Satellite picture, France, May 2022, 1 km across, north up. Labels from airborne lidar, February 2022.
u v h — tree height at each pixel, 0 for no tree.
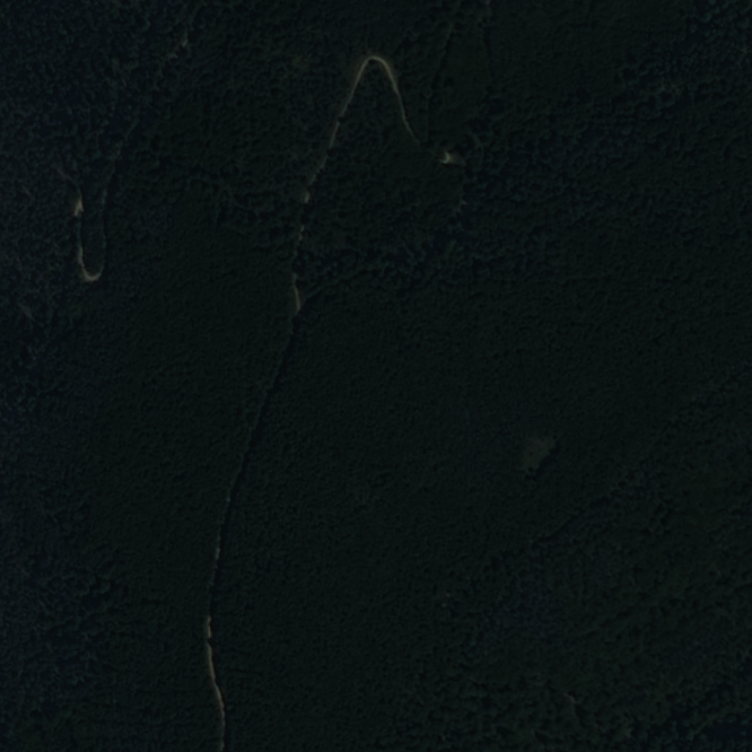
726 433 25
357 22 14
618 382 12
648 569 26
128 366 21
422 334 20
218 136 9
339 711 22
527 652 32
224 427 21
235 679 18
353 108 10
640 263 24
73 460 20
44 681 30
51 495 25
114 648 24
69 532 23
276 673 17
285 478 19
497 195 21
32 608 26
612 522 21
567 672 26
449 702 32
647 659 26
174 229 20
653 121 27
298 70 6
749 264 25
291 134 7
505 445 17
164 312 18
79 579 23
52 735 28
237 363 18
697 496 25
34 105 34
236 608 19
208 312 22
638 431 22
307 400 18
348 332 19
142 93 24
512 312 23
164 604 19
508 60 21
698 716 22
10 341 12
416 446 13
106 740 19
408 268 29
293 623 20
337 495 17
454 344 20
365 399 18
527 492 15
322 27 14
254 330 22
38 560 31
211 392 23
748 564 27
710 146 28
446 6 21
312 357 21
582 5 20
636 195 29
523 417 17
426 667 23
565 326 25
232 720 14
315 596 16
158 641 22
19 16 35
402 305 26
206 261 19
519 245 27
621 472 22
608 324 23
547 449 0
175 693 18
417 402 16
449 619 23
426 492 15
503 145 11
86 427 20
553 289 24
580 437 14
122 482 20
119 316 19
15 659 24
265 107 9
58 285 24
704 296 23
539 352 21
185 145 14
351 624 15
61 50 33
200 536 20
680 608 30
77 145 34
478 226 26
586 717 34
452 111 9
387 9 14
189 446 23
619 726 35
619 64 22
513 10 18
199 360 22
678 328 24
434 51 20
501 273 25
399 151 9
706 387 21
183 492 17
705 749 32
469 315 21
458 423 19
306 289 16
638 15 15
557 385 17
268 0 13
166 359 22
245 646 19
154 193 20
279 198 14
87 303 18
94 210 17
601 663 29
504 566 29
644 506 22
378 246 8
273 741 20
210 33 29
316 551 17
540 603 26
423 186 7
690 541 25
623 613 19
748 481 23
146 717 19
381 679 22
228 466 20
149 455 20
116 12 8
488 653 27
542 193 28
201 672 19
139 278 18
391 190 10
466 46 12
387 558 16
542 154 10
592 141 30
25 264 36
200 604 18
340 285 23
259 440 21
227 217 27
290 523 21
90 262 18
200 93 8
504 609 28
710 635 29
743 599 21
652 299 25
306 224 20
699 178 26
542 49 23
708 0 31
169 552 20
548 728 32
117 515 20
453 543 21
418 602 24
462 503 12
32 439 22
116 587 23
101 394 20
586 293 25
